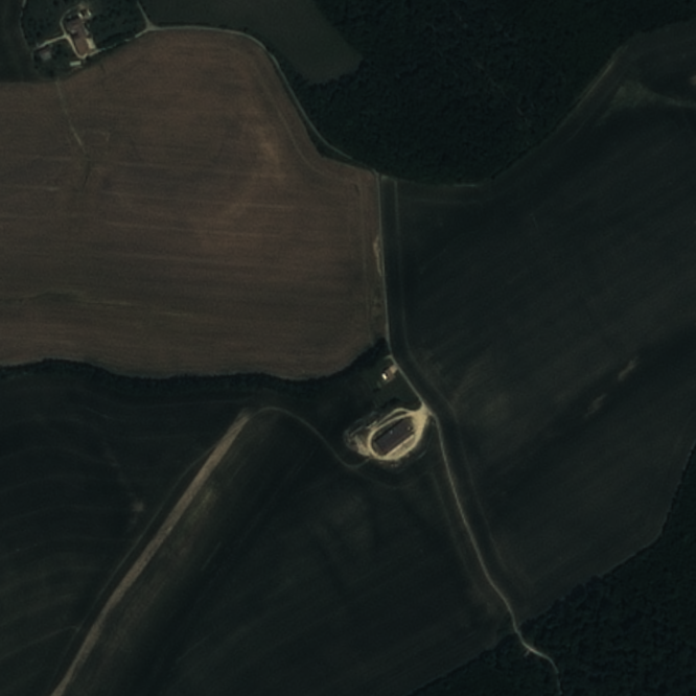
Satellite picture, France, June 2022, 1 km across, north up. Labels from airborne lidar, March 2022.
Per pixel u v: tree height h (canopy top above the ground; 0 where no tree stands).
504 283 0
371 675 0
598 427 0
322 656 0
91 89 0
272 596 0
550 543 0
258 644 0
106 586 0
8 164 0
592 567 0
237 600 0
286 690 0
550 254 0
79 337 0
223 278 0
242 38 0
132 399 0
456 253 0
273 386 14
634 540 0
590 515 0
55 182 0
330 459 0
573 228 0
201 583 0
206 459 0
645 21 12
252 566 0
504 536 0
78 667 0
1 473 0
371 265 0
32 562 0
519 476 0
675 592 18
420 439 0
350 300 0
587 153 0
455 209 0
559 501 0
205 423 0
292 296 0
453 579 0
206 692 0
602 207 0
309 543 0
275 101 0
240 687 0
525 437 0
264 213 0
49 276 0
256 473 0
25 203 0
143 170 0
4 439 0
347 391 0
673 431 0
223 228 0
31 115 0
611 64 0
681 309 0
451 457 0
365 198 0
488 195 0
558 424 0
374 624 0
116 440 0
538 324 0
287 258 0
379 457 0
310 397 16
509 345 0
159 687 0
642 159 0
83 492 0
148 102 0
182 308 0
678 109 0
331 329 0
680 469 0
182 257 0
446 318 0
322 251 0
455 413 0
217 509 0
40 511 0
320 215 0
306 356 0
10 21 0
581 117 0
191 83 0
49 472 0
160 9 0
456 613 0
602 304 0
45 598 0
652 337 0
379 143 19
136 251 0
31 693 0
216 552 0
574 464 0
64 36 0
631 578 11
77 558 0
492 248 0
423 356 0
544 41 15
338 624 0
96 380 17
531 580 0
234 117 0
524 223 0
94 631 0
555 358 0
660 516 0
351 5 22
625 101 0
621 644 22
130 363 0
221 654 0
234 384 17
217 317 0
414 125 18
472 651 0
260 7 0
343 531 0
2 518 0
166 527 0
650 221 0
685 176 0
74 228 0
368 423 0
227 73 0
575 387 0
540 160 0
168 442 0
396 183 0
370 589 0
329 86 8
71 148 0
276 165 0
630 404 0
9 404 0
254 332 0
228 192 0
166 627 0
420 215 0
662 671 22
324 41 0
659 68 0
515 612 0
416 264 0
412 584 0
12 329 0
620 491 0
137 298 0
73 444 0
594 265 0
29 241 0
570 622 25
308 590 0
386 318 0
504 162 13
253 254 0
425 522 0
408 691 0
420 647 0
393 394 0
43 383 0
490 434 0
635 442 0
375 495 0
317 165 0
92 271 0
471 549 0
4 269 0
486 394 0
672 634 18
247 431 0
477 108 17
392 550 0
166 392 13
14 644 0
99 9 0
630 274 0
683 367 0
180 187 0
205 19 0
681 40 0
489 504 0
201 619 0
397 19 20
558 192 0
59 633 0
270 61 0
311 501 0
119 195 0
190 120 0
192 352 0
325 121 11
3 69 0
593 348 0
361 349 0
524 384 0
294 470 0
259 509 0
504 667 23
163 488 0
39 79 0
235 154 0
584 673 28
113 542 0
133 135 0
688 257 0
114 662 0
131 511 0
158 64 0
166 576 0
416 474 0
